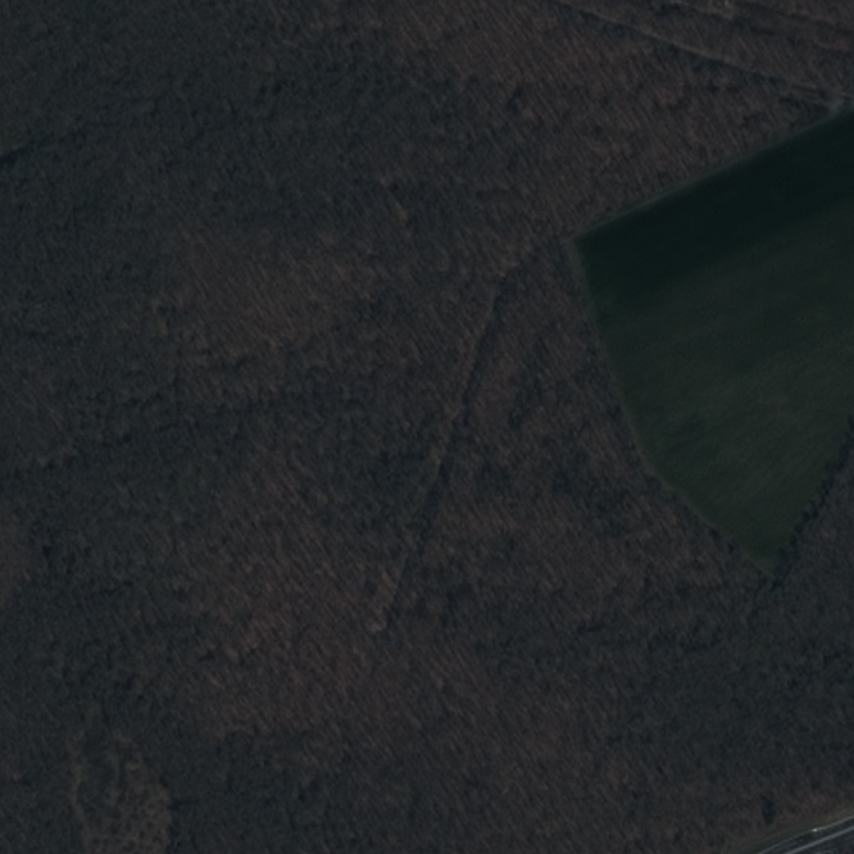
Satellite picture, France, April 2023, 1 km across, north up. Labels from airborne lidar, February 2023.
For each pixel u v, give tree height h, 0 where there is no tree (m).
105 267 21
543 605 25
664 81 22
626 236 0
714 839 11
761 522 0
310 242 22
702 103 22
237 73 16
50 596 22
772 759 21
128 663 16
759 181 0
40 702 25
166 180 23
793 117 23
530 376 27
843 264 0
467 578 27
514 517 27
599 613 25
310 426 26
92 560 21
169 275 18
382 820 27
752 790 21
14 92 21
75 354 20
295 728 19
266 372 23
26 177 21
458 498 25
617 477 24
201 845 18
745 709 18
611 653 24
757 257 0
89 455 24
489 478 24
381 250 24
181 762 19
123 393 19
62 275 22
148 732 19
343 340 21
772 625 23
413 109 23
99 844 0
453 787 24
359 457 25
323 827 23
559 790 26
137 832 0
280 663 21
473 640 24
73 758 22
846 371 0
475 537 25
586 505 26
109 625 20
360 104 19
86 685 19
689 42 24
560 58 25
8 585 22
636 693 28
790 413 0
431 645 23
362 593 23
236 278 21
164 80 18
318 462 26
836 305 0
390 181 24
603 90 19
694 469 0
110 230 21
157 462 19
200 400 18
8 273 21
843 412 0
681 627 23
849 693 24
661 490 22
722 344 0
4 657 24
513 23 24
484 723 25
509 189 24
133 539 21
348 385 14
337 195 20
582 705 26
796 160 0
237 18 13
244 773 21
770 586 23
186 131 21
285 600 22
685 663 20
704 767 26
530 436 25
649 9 17
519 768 22
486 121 25
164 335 19
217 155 19
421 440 25
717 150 25
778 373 0
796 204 0
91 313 21
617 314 0
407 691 24
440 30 26
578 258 0
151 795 0
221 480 23
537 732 23
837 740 15
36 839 24
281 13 23
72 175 17
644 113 25
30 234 22
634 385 0
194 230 25
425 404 24
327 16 20
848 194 0
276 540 26
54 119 23
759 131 25
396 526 19
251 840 25
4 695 25
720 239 0
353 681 25
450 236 22
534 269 23
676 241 0
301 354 21
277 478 26
